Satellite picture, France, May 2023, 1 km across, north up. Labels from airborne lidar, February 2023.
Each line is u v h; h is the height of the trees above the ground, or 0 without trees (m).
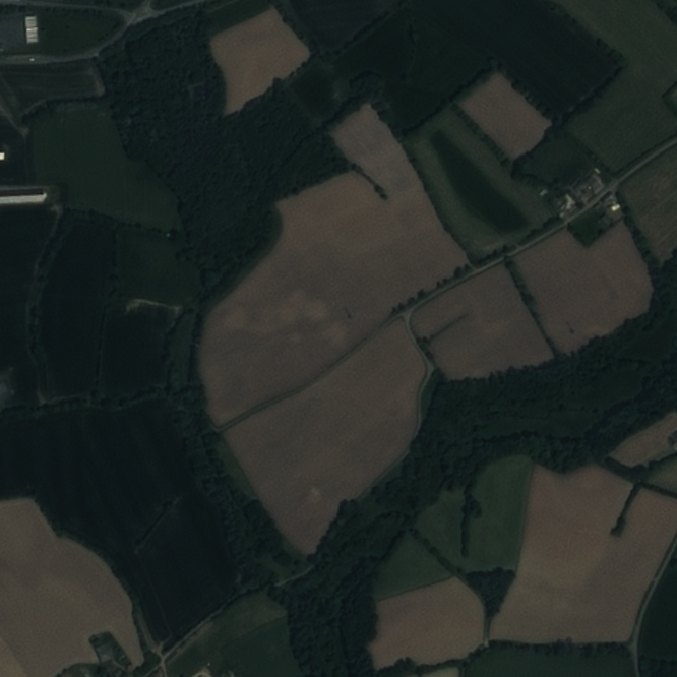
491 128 0
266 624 0
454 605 0
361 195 0
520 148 0
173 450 0
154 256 0
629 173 0
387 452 0
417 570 0
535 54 0
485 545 0
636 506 0
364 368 0
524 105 0
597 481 0
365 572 19
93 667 0
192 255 13
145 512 0
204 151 15
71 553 0
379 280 0
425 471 17
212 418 0
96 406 11
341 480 0
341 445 0
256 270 0
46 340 0
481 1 0
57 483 0
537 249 0
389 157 0
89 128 0
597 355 7
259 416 0
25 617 0
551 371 22
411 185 0
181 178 18
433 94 0
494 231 0
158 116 18
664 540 0
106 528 0
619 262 0
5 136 0
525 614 0
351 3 0
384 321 0
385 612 0
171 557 0
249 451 0
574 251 0
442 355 0
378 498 14
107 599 0
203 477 13
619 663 0
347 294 0
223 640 0
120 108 17
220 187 9
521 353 0
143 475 0
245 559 19
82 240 0
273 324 0
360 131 0
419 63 0
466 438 9
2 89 0
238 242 10
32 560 0
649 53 0
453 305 0
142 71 18
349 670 19
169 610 0
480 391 14
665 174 0
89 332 0
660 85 0
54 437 0
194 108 15
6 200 0
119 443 0
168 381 18
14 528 0
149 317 0
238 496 16
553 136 19
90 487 0
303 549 0
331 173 13
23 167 0
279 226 0
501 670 0
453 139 0
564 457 13
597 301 0
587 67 0
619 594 0
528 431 0
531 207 0
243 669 0
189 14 16
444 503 0
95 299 0
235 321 0
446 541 0
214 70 17
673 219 0
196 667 0
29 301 0
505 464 0
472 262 10
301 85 0
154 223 0
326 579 10
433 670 10
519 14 0
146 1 0
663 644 0
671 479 0
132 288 0
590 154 7
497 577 22
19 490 0
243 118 14
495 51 0
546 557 0
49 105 14
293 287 0
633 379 0
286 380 0
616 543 0
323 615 32
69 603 0
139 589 0
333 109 0
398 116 0
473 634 0
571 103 0
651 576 0
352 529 7
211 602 0
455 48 0
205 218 12
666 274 24
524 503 0
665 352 0
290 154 10
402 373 0
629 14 0
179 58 15
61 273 0
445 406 22
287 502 0
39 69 0
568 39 0
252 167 10
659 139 0
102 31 0
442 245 0
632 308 0
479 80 14
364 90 18
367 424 0
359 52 0
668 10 10
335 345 0
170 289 0
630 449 0
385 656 0
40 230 0
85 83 0
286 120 11
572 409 0
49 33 0
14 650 0
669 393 19
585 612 0
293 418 0
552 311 0
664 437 0
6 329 0
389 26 0
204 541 0
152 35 15
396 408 0
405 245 0
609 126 0
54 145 0
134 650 0
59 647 0
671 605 0
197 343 12
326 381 0
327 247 0
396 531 0
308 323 0
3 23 0
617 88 0
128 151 14
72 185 0
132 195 0
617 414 23
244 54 0
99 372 9
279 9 7
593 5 0
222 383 0
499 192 0
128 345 0
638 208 0
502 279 0
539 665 0
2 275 0
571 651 26
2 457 0
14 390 0
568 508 0
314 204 0
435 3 0
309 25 0
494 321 0
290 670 0
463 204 0
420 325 0
